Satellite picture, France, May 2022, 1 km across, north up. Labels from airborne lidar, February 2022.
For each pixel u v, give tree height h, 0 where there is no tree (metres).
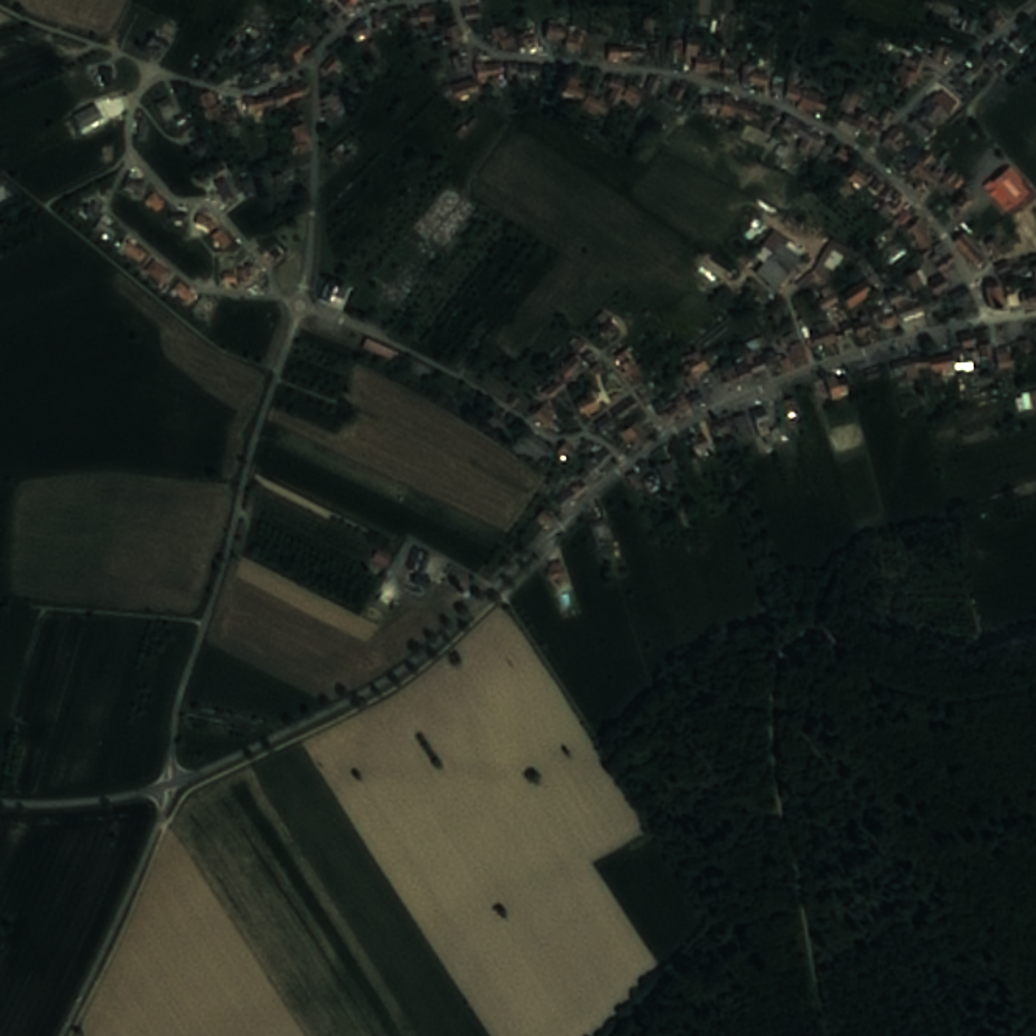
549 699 0
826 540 0
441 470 0
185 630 0
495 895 0
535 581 0
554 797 0
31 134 0
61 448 0
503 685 0
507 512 0
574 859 0
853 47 0
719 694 18
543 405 0
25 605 0
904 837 20
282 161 7
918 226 0
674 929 0
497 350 0
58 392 0
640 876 0
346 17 6
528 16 10
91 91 0
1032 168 0
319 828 0
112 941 0
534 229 0
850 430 0
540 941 0
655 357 0
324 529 0
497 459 0
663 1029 33
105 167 0
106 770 0
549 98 14
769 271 0
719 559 0
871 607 13
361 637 0
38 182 0
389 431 0
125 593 0
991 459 0
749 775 14
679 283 0
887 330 0
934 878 20
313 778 0
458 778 0
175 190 0
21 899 0
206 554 0
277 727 0
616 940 0
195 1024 0
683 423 0
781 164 0
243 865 0
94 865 0
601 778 0
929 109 0
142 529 0
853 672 22
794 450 0
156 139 0
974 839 37
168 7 0
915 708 16
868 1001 12
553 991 0
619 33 0
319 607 0
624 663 0
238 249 0
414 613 0
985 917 26
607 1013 0
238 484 0
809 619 22
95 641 0
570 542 0
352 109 15
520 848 0
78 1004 0
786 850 11
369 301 0
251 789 0
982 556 0
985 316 0
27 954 0
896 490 0
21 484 0
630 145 7
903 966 13
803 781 10
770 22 8
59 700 0
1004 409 0
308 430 0
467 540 0
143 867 0
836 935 6
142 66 0
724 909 30
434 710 0
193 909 0
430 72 7
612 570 10
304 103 0
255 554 9
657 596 0
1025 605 0
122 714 0
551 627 0
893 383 0
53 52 0
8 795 0
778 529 0
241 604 0
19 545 0
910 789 15
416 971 0
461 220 0
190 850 0
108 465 0
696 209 0
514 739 0
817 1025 13
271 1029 0
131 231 0
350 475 0
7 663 0
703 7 0
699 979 28
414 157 15
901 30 0
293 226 9
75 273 0
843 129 0
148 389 0
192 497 0
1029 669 17
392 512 0
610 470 0
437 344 0
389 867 0
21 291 0
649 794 24
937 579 0
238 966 0
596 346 0
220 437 0
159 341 0
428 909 0
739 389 0
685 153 0
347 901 0
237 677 0
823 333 0
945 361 0
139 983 0
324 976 0
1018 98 0
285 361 0
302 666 0
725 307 0
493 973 0
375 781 0
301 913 0
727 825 19
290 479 0
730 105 0
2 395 0
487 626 0
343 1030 0
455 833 0
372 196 0
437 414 0
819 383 0
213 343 0
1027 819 24
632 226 0
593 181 0
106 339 0
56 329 0
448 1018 0
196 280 0
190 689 0
